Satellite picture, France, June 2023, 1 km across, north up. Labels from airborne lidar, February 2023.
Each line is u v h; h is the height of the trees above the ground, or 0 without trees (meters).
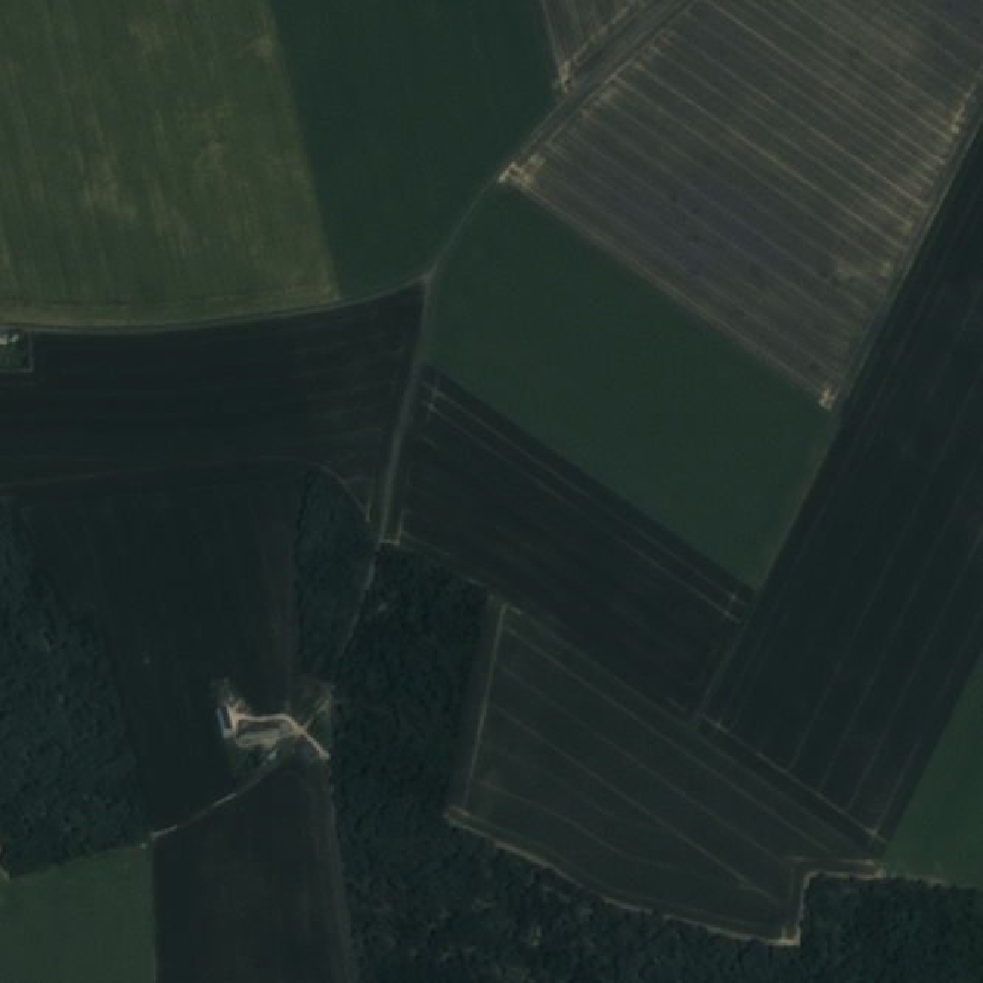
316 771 0
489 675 0
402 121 0
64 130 0
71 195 0
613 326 0
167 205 0
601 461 0
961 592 0
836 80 0
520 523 0
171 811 0
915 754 0
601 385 0
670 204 0
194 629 0
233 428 0
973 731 0
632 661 0
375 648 9
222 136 0
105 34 0
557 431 0
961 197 0
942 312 0
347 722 8
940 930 7
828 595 0
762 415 0
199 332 0
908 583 0
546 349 0
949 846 0
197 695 0
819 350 0
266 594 0
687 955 25
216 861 0
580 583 0
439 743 0
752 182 0
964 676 0
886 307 0
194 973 0
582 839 0
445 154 0
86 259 0
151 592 0
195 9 0
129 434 0
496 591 0
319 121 0
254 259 0
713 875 0
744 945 17
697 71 0
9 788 22
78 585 0
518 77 0
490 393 0
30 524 0
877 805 0
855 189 0
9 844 17
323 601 22
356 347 0
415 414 0
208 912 0
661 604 0
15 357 0
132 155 0
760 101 0
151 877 0
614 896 0
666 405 0
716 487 0
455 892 21
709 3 0
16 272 0
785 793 0
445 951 20
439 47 0
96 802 25
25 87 0
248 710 0
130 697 0
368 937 16
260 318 0
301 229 0
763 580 0
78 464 0
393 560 9
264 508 0
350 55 0
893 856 0
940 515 0
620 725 0
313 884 0
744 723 0
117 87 0
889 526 0
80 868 0
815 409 0
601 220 0
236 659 0
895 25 0
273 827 0
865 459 0
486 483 0
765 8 0
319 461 0
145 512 0
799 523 0
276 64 0
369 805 21
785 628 0
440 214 0
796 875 0
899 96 0
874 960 17
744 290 0
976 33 0
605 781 0
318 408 0
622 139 0
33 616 24
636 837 0
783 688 0
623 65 0
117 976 0
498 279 0
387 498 0
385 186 0
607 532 0
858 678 0
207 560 0
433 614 21
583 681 0
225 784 0
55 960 0
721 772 0
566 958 15
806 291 0
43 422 0
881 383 0
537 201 0
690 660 0
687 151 0
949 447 0
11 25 0
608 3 0
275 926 0
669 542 0
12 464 0
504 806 0
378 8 0
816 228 0
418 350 0
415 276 0
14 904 0
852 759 0
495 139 0
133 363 0
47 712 23
